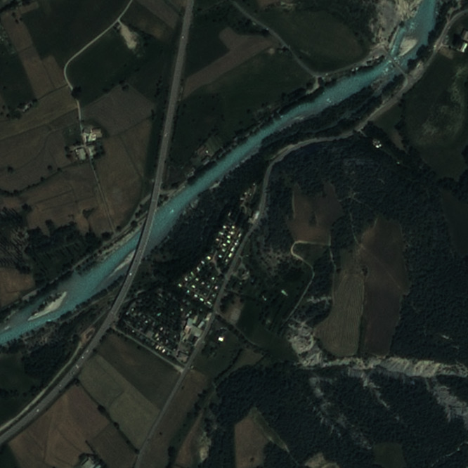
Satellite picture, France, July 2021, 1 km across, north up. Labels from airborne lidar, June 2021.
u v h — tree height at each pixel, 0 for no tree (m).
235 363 10
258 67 0
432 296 10
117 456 0
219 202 9
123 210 0
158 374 0
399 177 8
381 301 0
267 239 8
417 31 0
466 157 20
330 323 0
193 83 0
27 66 0
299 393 9
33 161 0
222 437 7
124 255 0
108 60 0
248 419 0
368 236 0
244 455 0
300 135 17
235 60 0
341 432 8
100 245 14
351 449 9
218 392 13
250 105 0
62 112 0
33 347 8
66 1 0
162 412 0
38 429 0
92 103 0
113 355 0
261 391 17
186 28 0
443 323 10
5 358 0
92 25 0
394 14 0
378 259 0
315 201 0
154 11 0
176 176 0
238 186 23
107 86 0
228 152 11
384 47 0
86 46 0
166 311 7
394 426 10
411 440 6
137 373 0
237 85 0
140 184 0
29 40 0
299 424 8
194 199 0
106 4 0
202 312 9
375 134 12
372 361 0
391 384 8
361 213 7
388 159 18
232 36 0
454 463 6
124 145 0
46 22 0
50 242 17
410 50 0
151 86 0
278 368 10
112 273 0
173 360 7
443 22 14
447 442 8
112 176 0
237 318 0
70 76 0
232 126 0
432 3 0
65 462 0
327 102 0
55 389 0
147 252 0
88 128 0
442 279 18
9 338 0
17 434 0
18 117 9
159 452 0
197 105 0
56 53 0
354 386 11
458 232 0
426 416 8
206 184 0
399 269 0
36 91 0
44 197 0
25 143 0
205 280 10
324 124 9
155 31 0
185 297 7
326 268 10
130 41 0
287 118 0
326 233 0
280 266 7
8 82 0
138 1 0
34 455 0
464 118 0
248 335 0
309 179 6
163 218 0
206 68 0
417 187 6
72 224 17
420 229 12
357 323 0
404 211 9
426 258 16
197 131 0
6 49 0
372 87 14
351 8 9
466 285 12
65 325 14
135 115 0
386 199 11
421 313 6
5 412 0
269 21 0
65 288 0
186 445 0
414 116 0
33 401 0
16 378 0
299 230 0
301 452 9
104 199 0
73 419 0
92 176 0
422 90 0
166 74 0
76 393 0
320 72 0
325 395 6
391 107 0
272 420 8
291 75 0
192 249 8
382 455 0
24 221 32
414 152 11
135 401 0
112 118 0
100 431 0
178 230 8
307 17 0
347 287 0
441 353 7
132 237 0
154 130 0
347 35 0
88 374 0
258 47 0
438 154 0
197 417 7
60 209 0
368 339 0
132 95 0
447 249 16
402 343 10
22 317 0
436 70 0
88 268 7
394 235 0
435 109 0
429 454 8
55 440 0
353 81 0
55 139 0
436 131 0
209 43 0
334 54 0
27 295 0
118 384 0
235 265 0
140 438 0
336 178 6
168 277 9
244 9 0
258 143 0
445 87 0
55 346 17
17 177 0
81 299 0
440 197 12
